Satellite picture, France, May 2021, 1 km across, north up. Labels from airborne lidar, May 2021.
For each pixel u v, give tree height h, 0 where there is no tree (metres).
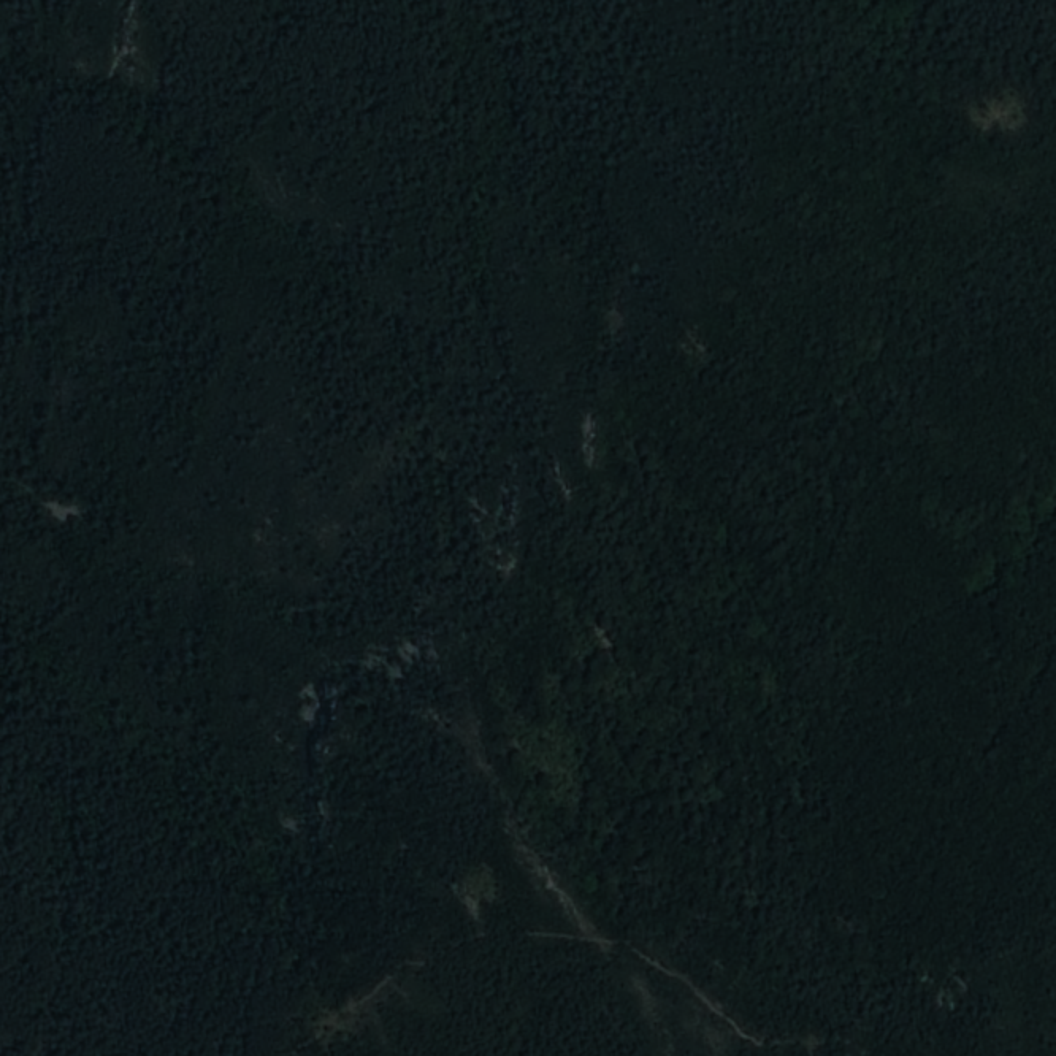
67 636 6
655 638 15
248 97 15
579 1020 14
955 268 9
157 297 10
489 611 12
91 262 15
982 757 13
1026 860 12
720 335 7
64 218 17
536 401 12
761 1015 8
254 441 12
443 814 11
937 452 10
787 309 9
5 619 22
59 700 10
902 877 16
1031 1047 6
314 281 11
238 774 7
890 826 15
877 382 11
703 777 16
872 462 11
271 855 10
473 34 15
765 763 11
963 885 11
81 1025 20
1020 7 16
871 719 14
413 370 14
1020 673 17
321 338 17
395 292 6
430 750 6
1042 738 13
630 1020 6
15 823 21
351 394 19
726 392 11
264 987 13
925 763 15
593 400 6
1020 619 13
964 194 6
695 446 12
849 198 7
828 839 10
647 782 13
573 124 18
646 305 7
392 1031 9
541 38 13
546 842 8
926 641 17
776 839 15
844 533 16
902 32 14
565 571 14
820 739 13
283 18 17
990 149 9
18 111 10
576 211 11
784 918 19
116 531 18
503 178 10
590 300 6
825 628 17
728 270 7
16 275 16
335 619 12
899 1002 17
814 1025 9
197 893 16
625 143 9
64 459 7
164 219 18
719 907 16
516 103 17
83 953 22
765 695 12
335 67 20
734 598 15
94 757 11
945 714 14
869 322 16
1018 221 11
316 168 11
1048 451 13
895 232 12
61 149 20
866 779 17
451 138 16
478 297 8
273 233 8
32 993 22
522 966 12
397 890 8
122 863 19
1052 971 6
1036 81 6
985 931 11
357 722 10
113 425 5
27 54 20
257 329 9
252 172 8
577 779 6
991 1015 6
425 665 11
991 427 8
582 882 10
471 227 15
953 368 9
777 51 16
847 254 14
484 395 12
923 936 15
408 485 7
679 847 19
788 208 11
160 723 6
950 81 6
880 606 12
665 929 15
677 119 10
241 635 6
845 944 18
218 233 11
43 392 7
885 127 9
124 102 17
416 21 8
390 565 11
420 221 10
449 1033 8
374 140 9
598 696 10
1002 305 13
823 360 11
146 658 7
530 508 10
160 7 21
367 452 10
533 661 8
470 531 12
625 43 6
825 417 11
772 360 11
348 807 13
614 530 18
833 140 10
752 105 6
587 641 6
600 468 10
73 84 12
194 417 8
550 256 7
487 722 7
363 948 10
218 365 14
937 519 14
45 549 9
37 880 20
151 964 19
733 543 13
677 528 11
